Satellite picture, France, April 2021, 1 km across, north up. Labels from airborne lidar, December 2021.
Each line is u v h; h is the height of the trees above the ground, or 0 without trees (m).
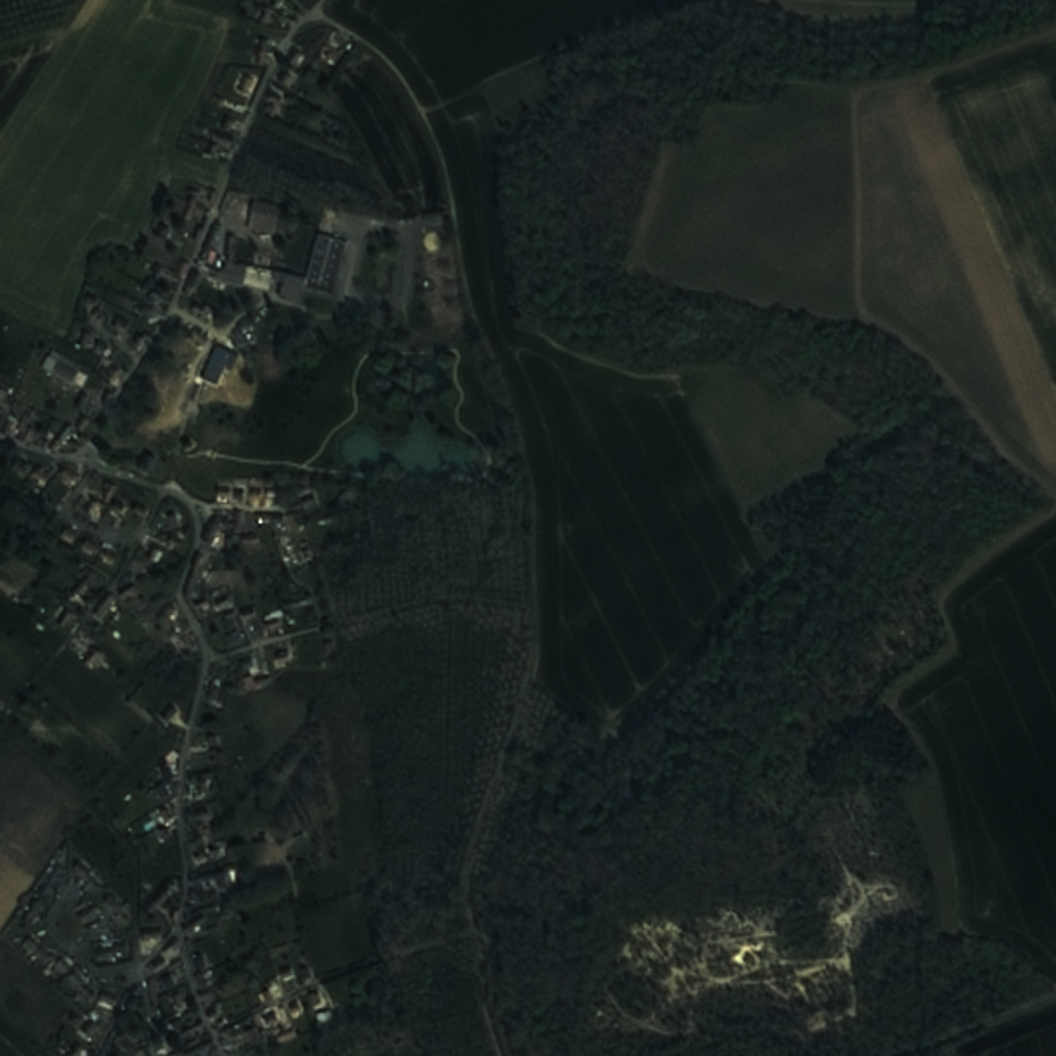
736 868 13
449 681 13
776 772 18
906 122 0
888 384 20
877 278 0
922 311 0
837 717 20
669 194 0
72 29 0
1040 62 0
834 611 21
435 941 28
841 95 0
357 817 0
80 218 0
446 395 19
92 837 7
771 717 21
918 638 22
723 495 0
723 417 0
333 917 0
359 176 6
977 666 0
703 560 0
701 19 21
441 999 15
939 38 28
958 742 0
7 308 0
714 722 21
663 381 0
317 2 0
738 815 19
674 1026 8
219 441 0
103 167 0
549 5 0
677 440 0
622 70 19
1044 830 0
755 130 0
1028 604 0
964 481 20
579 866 22
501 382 32
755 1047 13
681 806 14
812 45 20
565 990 21
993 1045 0
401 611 21
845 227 0
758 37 19
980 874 0
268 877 14
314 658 0
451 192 0
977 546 18
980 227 0
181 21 0
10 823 0
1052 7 19
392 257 14
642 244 0
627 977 12
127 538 0
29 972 0
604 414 0
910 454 24
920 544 21
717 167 0
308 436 0
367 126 0
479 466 0
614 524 0
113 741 0
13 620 0
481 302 0
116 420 24
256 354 15
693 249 0
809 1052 7
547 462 0
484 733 15
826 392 7
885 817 8
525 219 23
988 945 10
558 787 19
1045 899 0
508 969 31
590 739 19
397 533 21
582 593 0
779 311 11
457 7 0
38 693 12
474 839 26
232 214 0
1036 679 0
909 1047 14
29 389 0
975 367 0
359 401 0
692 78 19
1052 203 0
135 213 0
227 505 0
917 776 19
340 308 0
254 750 0
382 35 0
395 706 12
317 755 19
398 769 15
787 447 0
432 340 0
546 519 0
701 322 17
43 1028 0
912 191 0
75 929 0
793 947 8
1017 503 18
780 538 16
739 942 0
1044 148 0
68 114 0
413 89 0
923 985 13
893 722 22
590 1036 9
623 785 28
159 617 6
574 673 0
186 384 0
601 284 17
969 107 0
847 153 0
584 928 19
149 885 0
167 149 0
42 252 0
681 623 0
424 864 12
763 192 0
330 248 0
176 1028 10
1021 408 0
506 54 0
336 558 9
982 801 0
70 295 0
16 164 0
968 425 17
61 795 0
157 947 0
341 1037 22
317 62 0
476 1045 15
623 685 0
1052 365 0
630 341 19
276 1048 18
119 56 0
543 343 0
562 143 21
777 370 23
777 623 16
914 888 10
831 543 17
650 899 15
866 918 0
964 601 0
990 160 0
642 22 17
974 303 0
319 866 6
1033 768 0
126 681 7
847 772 10
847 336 14
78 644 0
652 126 14
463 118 0
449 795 9
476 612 22
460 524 30
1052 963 0
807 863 18
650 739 26
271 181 34
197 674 10
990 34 16
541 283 17
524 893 27
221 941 0
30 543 23
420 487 19
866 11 0
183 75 0
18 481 0
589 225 20
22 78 0
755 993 11
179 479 0
